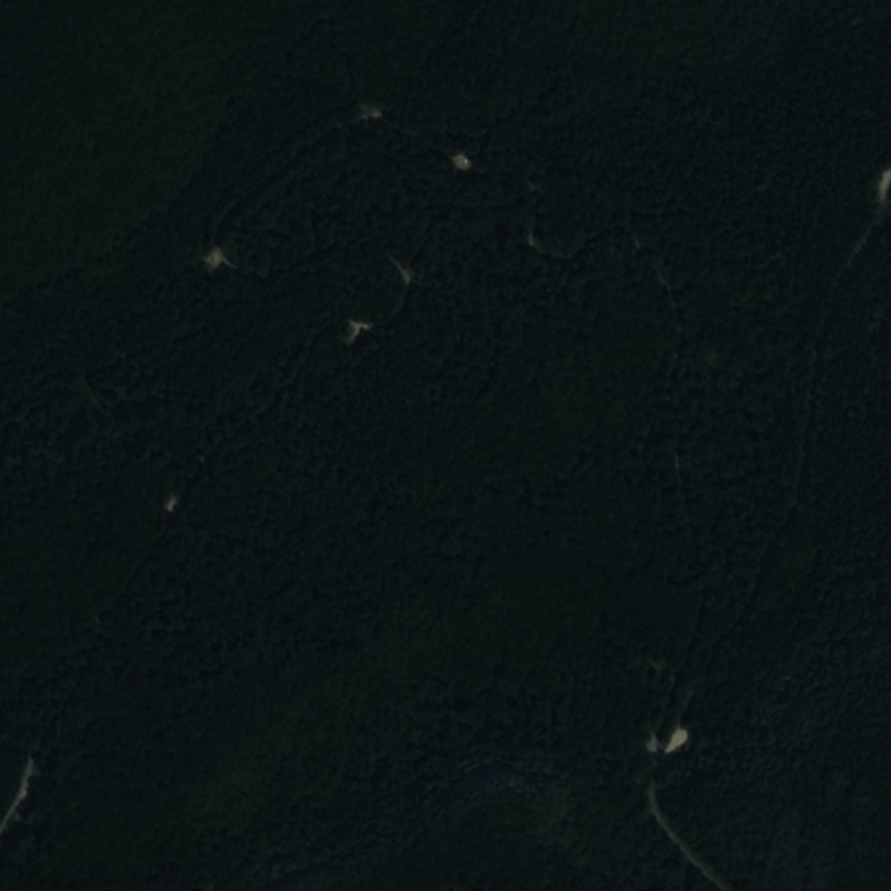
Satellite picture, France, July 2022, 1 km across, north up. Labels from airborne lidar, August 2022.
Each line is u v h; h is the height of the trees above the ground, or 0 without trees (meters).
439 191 31
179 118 18
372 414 24
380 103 21
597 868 16
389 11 18
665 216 31
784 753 20
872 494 24
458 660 22
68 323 24
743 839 8
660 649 23
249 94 23
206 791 12
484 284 30
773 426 16
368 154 26
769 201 15
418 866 25
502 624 17
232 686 27
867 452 28
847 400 18
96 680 42
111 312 24
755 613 20
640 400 22
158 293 26
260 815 30
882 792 14
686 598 18
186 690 27
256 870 26
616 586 22
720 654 21
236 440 21
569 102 24
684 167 12
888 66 13
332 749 25
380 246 22
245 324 22
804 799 9
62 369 20
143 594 27
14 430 31
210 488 25
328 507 24
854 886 18
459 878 22
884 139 15
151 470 22
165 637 23
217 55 17
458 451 19
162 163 19
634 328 21
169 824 26
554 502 24
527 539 20
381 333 15
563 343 25
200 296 18
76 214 17
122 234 18
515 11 14
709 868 6
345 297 20
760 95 19
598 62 23
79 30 19
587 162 15
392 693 25
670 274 25
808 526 24
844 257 15
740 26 16
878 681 23
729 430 25
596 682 26
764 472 22
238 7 21
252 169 23
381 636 23
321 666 17
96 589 27
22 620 27
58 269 18
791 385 25
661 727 17
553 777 12
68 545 23
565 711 31
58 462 27
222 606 23
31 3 18
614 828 20
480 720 34
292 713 16
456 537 19
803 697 21
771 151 14
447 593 17
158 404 29
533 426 21
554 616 21
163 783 21
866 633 28
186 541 23
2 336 21
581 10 19
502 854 17
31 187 19
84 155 19
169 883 35
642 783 34
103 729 29
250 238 25
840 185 20
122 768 22
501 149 20
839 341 25
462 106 25
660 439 32
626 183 15
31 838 21
